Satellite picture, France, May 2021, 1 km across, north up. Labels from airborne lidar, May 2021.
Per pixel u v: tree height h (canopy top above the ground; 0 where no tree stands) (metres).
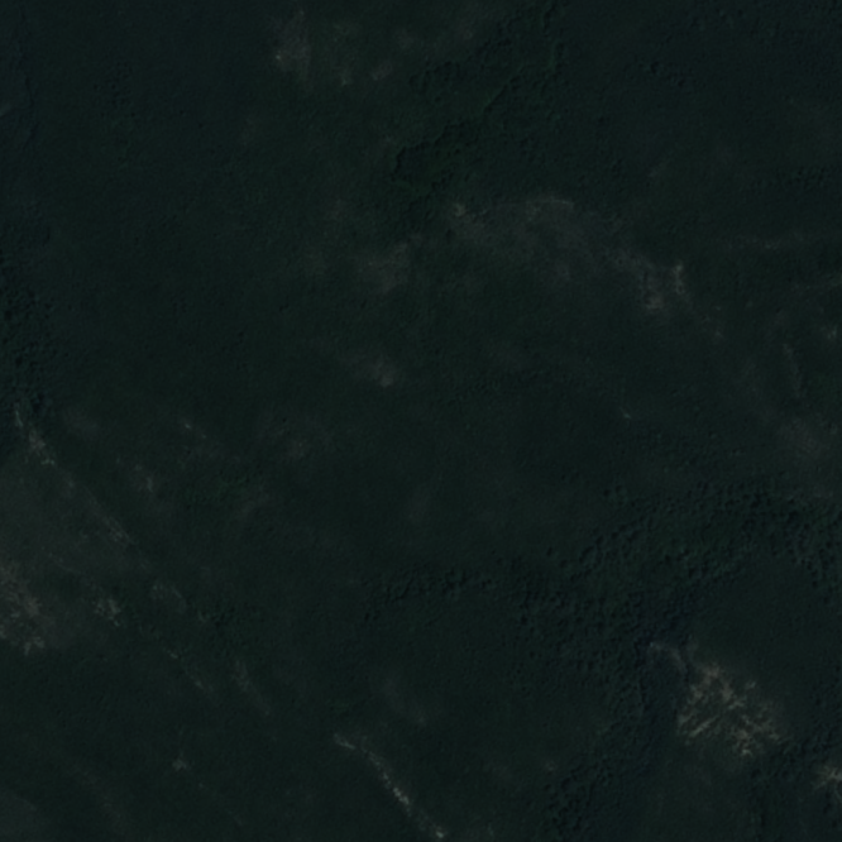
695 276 5
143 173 6
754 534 17
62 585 6
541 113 8
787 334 7
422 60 6
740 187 10
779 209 7
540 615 10
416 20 6
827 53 9
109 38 7
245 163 7
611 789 9
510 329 7
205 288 10
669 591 10
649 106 6
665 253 6
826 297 10
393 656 6
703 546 16
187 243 6
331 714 7
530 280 7
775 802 7
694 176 5
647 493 7
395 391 6
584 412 7
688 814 6
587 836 10
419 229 8
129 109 6
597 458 6
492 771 6
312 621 7
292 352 6
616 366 6
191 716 6
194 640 6
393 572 7
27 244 6
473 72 6
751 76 6
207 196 7
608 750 10
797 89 7
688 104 7
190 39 6
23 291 9
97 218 6
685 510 16
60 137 6
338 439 6
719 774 5
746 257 7
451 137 19
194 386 6
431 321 6
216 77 5
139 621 7
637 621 19
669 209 6
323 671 6
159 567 7
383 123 6
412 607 7
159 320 7
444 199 11
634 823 7
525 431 7
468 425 9
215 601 7
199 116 6
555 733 5
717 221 6
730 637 6
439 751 6
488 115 8
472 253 6
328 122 8
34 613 0
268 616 6
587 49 6
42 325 7
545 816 7
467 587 14
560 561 8
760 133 7
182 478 6
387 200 10
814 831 6
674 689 6
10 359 7
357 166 7
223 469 6
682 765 6
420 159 25
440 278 7
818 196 8
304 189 6
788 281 6
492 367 6
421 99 6
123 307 6
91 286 6
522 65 7
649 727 7
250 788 6
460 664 6
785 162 6
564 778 10
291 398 6
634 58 6
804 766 8
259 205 6
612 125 7
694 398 9
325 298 7
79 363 6
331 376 6
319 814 6
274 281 6
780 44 9
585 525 6
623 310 7
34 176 6
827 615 6
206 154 5
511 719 5
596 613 12
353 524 6
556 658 13
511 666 7
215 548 7
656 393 7
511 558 6
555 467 9
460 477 7
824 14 6
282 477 6
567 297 5
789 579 6
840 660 7
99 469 5
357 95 6
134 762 5
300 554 7
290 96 7
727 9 6
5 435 7
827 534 10
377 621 10
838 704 9
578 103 7
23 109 6
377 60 7
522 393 7
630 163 6
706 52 6
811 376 8
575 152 8
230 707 6
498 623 8
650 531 14
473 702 8
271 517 6
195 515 7
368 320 7
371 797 6
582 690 6
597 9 6
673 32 7
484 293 8
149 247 7
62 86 6
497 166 8
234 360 9
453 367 6
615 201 7
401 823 8
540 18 7
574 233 0
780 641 6
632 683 8
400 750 5
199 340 7
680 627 15
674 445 16
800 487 10
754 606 6
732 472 11
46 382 9
